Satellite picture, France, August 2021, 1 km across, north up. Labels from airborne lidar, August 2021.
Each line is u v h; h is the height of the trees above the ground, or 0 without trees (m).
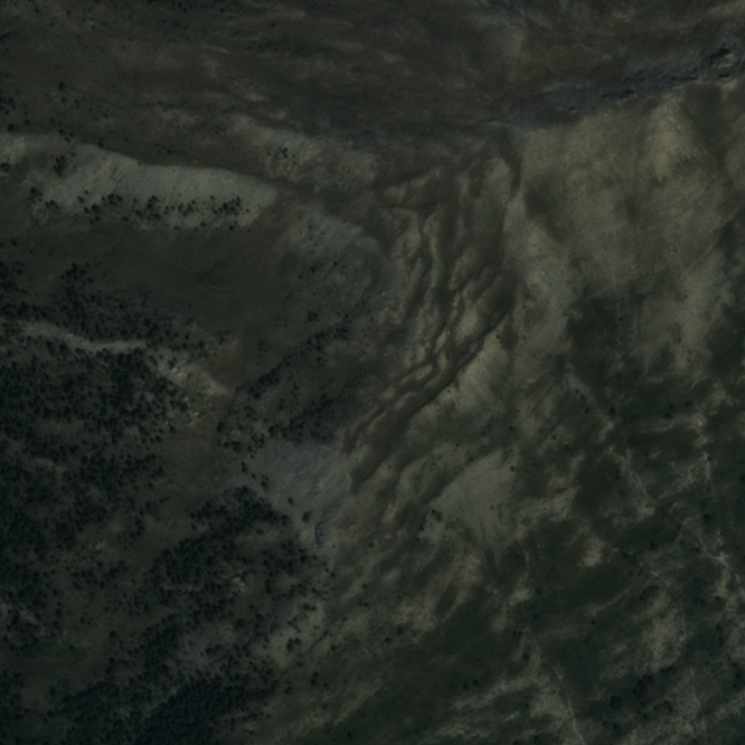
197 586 7
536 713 0
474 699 0
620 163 0
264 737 0
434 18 0
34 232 0
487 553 0
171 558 9
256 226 0
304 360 0
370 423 0
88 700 17
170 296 0
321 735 0
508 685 0
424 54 0
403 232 0
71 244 0
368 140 0
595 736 0
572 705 0
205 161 0
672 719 0
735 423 0
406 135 0
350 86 0
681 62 0
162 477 6
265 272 0
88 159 0
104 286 0
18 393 6
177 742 15
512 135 0
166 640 11
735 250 0
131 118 0
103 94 0
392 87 0
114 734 11
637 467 0
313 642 0
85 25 0
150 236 0
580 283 0
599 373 0
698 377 0
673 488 0
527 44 0
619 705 14
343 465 0
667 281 0
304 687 0
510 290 0
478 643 0
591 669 0
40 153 0
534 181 0
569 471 0
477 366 0
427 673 0
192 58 0
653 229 0
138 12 0
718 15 0
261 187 0
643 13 0
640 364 0
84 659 0
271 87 0
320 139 0
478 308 0
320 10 0
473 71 0
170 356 0
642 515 0
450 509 0
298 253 0
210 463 0
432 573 0
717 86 0
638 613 0
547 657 0
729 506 0
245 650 9
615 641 0
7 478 11
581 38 0
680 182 0
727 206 0
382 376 0
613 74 0
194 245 0
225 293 0
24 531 12
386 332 0
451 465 0
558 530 0
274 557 8
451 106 0
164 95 0
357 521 0
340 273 0
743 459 0
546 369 0
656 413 0
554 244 0
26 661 0
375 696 0
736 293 0
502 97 0
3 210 0
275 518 8
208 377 0
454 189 0
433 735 0
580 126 0
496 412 0
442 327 0
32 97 0
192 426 0
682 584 0
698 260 0
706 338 0
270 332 0
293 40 0
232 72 0
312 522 0
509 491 0
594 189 0
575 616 0
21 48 0
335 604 0
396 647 0
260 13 0
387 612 0
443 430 0
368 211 0
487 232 0
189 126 0
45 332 0
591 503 0
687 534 0
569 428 0
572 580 0
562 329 0
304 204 0
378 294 0
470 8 0
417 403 0
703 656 0
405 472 0
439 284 0
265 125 0
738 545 0
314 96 0
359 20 0
